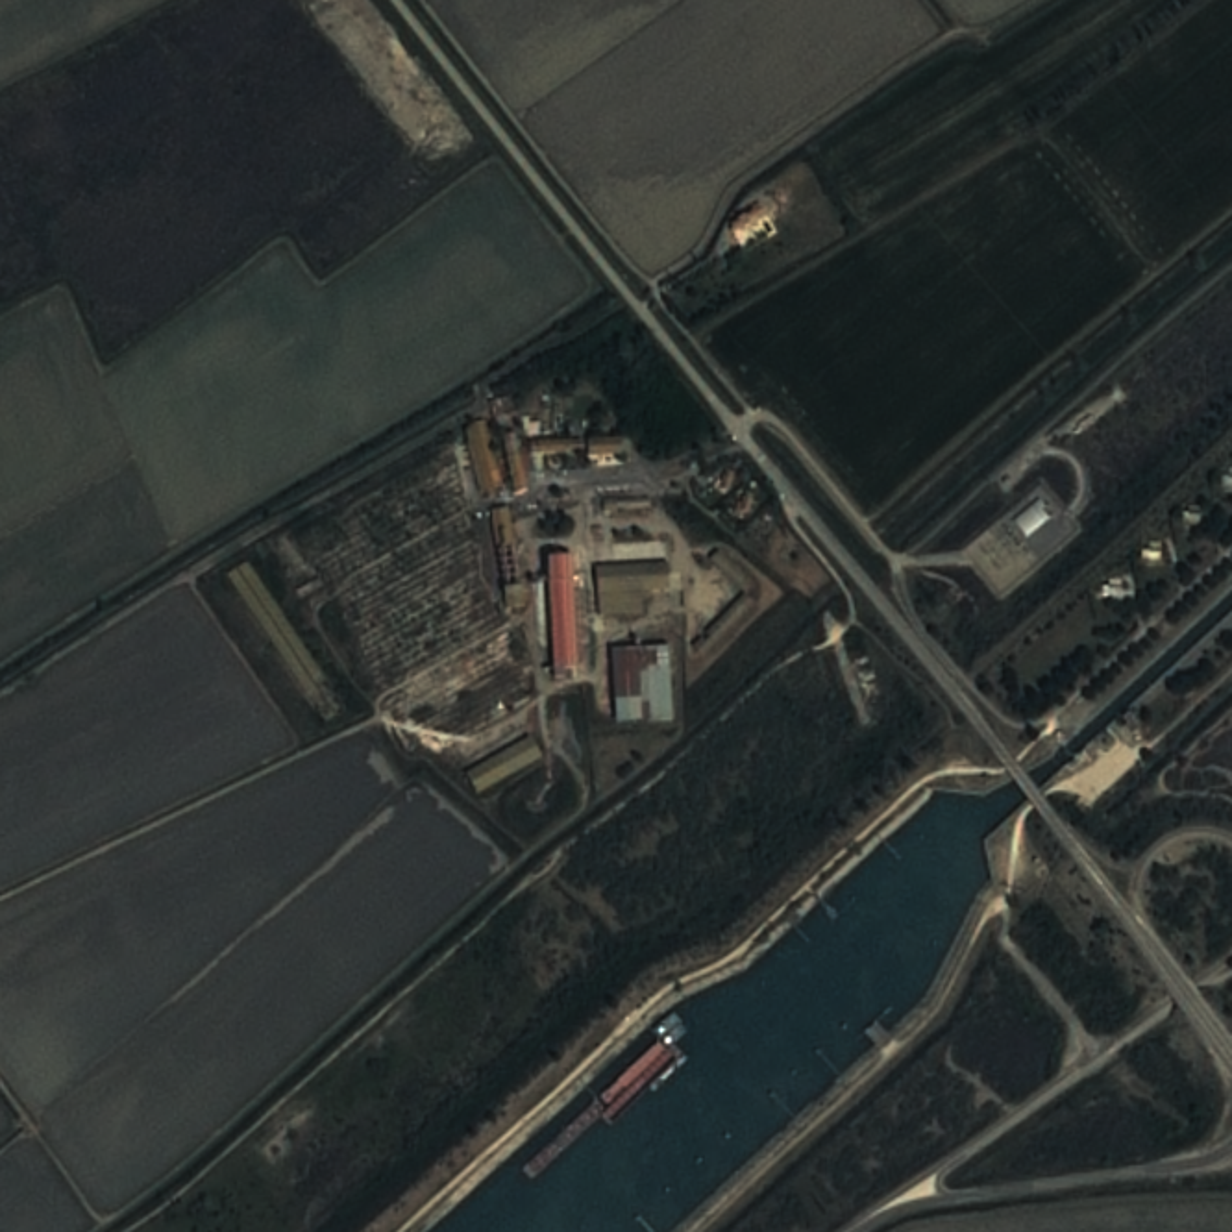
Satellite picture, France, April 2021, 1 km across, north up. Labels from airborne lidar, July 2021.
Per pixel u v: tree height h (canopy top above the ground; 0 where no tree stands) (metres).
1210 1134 0
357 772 0
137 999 0
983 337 0
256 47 0
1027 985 6
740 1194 0
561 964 0
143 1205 0
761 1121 0
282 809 0
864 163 0
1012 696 7
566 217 0
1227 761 0
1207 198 0
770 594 0
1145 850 0
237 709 0
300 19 0
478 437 0
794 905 8
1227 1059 0
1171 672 0
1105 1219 0
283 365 0
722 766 5
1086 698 8
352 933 0
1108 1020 8
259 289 0
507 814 0
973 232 0
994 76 0
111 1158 0
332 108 0
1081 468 0
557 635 0
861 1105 0
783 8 0
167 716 0
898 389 0
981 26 0
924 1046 0
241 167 0
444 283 0
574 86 0
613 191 0
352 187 0
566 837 0
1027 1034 0
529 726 0
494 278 0
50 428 0
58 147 0
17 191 0
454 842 0
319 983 0
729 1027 0
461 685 0
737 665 0
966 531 0
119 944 0
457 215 0
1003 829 0
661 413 7
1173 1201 0
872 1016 0
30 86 0
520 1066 0
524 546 0
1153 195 0
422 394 0
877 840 0
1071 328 0
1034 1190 0
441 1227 0
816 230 0
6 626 0
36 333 0
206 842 0
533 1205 0
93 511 0
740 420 0
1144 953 0
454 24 0
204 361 0
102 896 0
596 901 0
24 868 0
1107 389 0
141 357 0
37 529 0
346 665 0
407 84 0
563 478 0
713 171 0
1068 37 0
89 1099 0
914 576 0
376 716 0
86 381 0
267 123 0
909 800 0
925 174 0
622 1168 0
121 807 0
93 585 0
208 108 0
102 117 0
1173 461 0
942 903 0
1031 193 0
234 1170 0
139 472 0
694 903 6
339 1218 0
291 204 0
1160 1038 0
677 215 0
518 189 0
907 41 0
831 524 0
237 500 0
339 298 0
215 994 0
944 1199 0
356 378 0
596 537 0
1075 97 17
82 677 0
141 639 0
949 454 0
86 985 0
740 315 0
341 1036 0
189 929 0
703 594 0
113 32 0
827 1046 0
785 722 6
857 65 0
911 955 0
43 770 0
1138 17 0
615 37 0
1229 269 0
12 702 0
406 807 0
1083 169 0
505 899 0
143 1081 0
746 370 0
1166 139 0
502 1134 0
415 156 0
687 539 0
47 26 0
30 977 0
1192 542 5
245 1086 0
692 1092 0
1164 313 0
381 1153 0
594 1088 0
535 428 0
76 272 0
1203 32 0
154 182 0
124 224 0
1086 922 0
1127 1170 0
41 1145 0
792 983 0
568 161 0
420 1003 0
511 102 0
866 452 0
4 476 0
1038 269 0
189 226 0
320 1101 0
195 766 0
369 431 0
